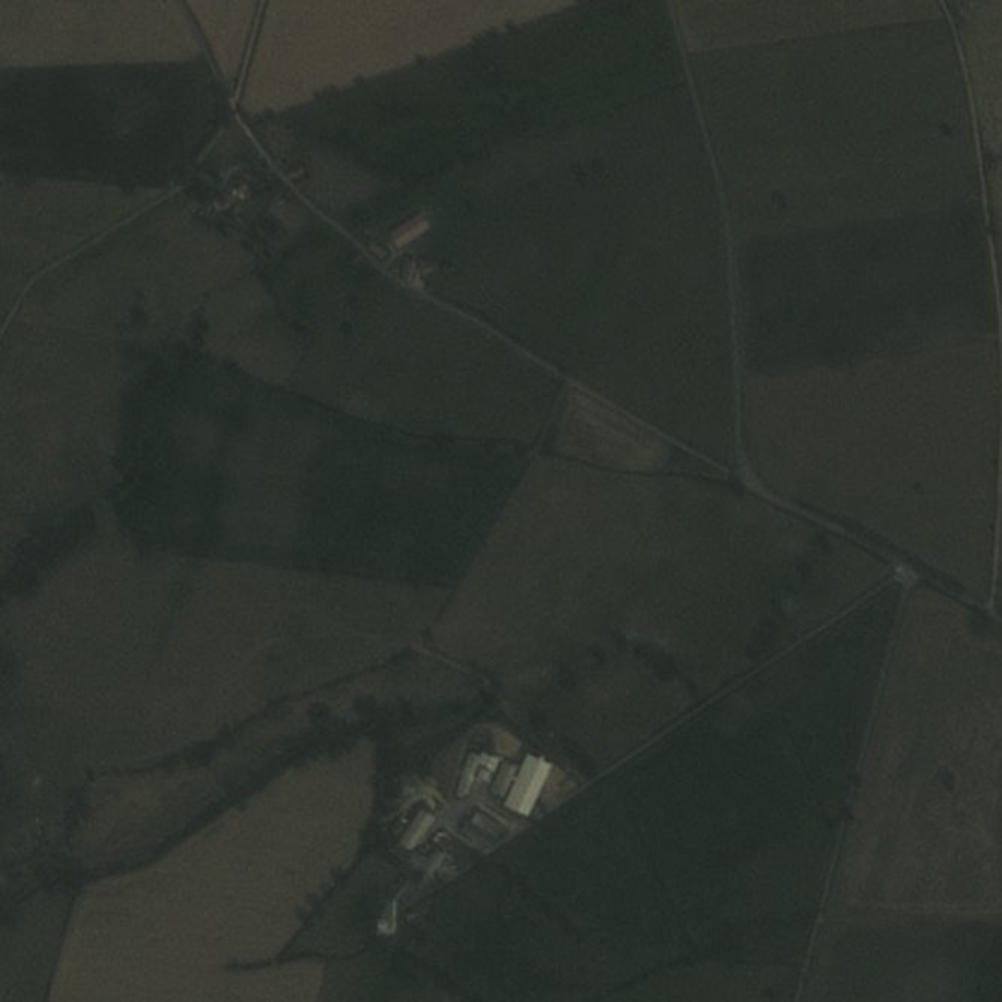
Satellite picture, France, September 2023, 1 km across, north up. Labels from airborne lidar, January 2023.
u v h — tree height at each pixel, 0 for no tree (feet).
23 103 0
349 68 0
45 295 0
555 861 0
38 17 0
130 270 0
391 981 0
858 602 0
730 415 0
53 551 58
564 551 0
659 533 0
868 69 0
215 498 0
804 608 0
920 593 0
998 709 0
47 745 0
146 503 0
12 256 0
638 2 0
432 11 0
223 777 0
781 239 0
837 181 0
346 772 0
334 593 0
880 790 0
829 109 0
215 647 0
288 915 0
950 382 0
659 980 0
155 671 0
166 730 0
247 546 0
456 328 0
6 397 0
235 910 0
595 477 0
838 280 0
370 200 0
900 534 0
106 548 0
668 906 0
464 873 0
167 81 0
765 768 0
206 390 0
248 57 0
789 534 0
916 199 0
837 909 0
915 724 0
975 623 0
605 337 0
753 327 0
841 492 0
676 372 0
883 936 0
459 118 0
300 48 0
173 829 0
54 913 0
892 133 0
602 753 0
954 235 0
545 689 0
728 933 0
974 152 0
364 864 0
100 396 0
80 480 0
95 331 0
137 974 0
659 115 0
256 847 0
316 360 0
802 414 0
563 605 0
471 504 0
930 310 0
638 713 0
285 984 0
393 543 0
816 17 0
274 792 0
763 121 0
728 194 0
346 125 0
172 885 0
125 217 0
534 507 0
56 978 0
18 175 59
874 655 0
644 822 0
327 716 34
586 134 0
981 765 0
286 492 0
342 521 0
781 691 0
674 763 0
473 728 0
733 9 0
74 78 0
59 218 0
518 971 0
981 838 0
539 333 0
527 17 0
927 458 0
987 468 0
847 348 0
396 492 0
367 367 0
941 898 0
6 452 0
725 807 0
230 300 0
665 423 0
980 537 0
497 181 0
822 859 0
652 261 0
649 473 0
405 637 0
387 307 0
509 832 0
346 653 0
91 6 0
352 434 0
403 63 0
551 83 0
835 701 0
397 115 0
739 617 0
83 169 0
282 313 36
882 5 0
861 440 0
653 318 0
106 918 0
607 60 0
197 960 0
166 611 0
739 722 0
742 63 0
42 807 0
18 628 0
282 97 0
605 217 0
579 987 0
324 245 0
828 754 0
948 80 0
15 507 0
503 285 0
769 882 0
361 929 0
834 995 0
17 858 0
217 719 0
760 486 0
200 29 0
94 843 0
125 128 0
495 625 0
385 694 0
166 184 0
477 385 0
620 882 0
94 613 0
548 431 0
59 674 0
